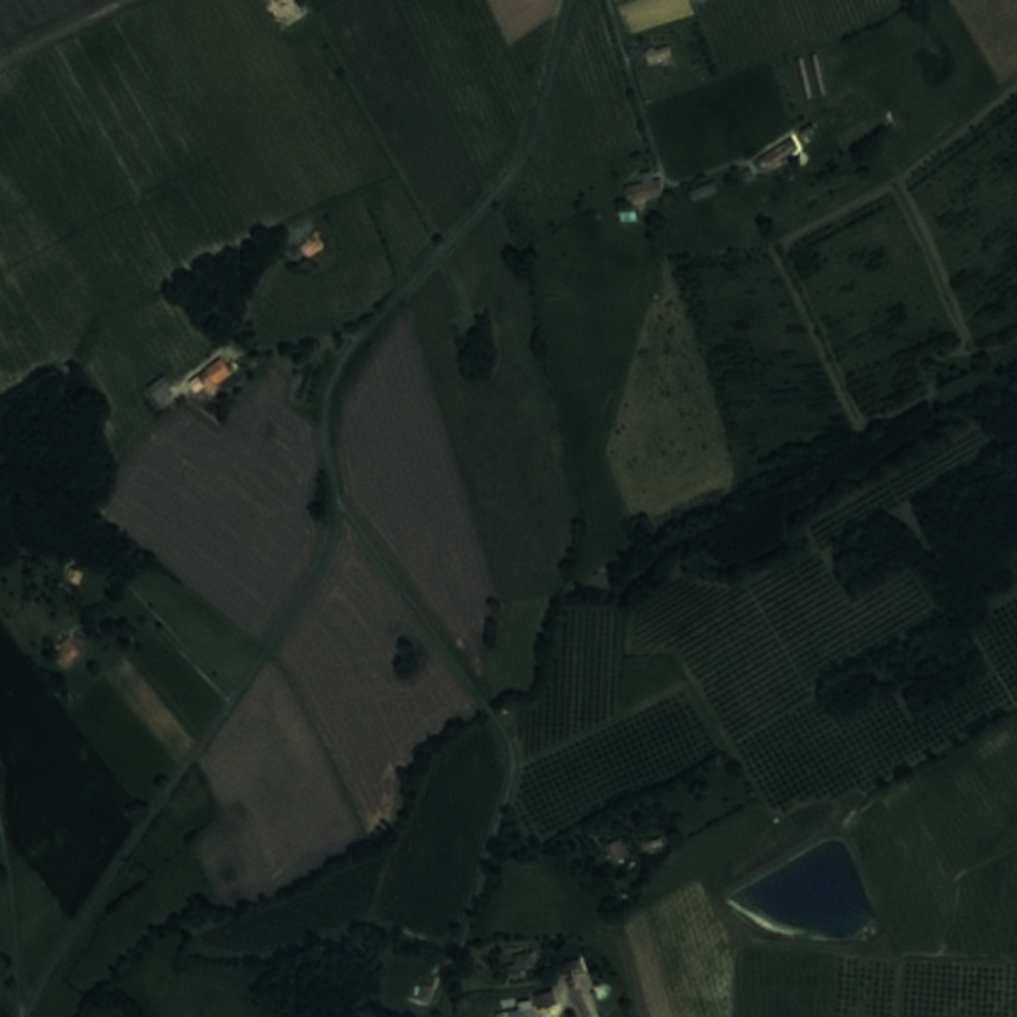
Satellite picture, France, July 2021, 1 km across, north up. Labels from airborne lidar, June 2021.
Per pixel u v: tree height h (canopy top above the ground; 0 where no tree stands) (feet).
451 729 44
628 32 0
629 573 69
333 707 0
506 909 0
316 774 0
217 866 0
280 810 0
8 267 0
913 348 22
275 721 0
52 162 0
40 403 80
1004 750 0
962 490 64
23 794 0
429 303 0
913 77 0
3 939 0
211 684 0
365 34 0
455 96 0
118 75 0
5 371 0
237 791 0
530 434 0
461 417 0
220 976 0
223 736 0
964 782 0
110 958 0
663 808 34
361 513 0
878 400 20
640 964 0
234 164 0
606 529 0
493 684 0
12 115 0
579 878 34
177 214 0
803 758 19
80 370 66
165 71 0
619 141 0
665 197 37
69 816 0
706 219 0
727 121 0
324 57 0
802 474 61
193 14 0
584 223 0
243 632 0
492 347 63
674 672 0
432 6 0
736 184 37
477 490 0
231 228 0
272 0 0
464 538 0
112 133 0
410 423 0
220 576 0
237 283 74
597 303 0
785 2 0
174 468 0
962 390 0
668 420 0
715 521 52
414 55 0
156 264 0
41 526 73
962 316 0
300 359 54
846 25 0
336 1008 57
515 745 0
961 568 71
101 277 0
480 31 0
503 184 0
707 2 0
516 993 0
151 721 0
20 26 0
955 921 0
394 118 0
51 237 0
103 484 50
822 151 0
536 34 0
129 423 0
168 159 0
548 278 0
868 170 41
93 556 62
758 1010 0
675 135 0
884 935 0
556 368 0
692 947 0
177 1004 0
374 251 0
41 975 0
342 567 0
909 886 0
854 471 41
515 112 0
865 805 0
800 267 25
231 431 0
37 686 0
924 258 0
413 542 0
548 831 18
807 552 44
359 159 0
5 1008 0
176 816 0
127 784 0
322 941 82
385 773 0
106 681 0
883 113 0
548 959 51
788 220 0
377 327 0
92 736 0
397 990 0
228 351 0
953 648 62
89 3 0
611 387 0
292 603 0
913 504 39
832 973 0
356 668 0
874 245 0
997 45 0
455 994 50
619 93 0
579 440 0
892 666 78
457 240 0
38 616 0
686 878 0
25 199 0
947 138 0
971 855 0
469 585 0
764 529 46
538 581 0
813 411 24
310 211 0
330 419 0
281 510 0
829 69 0
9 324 0
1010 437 47
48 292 0
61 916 0
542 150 0
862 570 79
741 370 23
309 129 0
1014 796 0
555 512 0
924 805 0
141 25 0
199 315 65
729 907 0
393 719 0
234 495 0
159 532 0
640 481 0
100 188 0
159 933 33
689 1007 0
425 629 0
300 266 27
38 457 87
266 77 0
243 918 47
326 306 0
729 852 0
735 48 0
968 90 0
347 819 0
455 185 0
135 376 0
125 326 0
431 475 0
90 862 0
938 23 0
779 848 0
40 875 0
